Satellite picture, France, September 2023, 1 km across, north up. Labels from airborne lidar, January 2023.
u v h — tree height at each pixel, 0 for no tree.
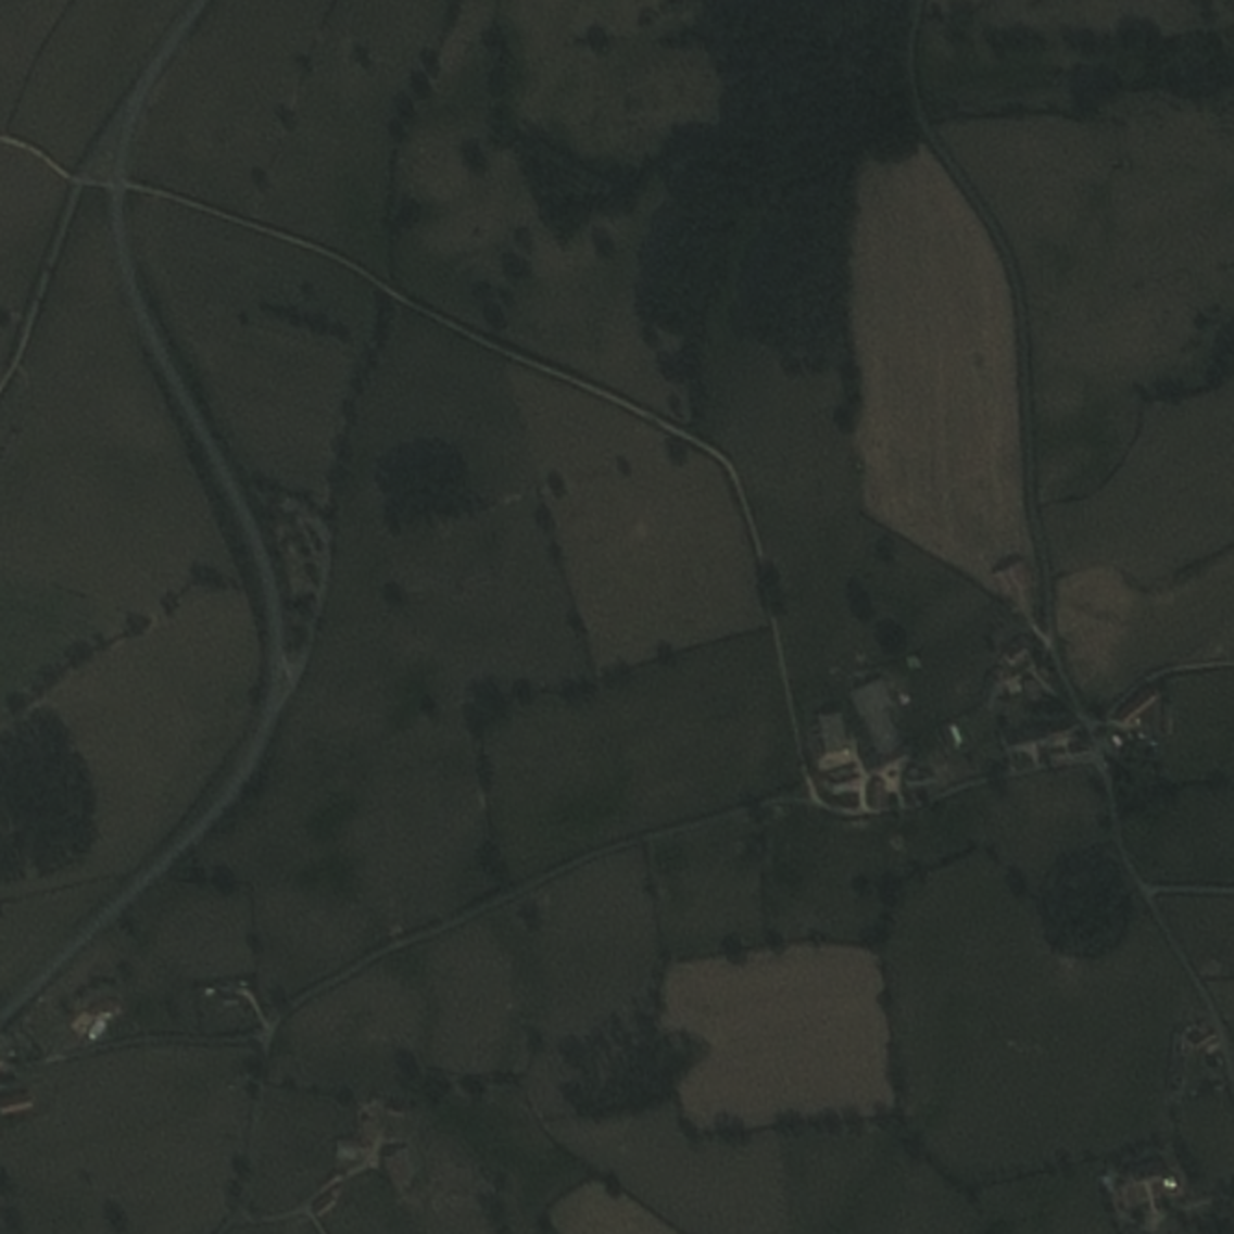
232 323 0
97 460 0
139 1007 0
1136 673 0
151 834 0
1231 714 0
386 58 0
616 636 0
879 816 0
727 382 0
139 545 0
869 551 0
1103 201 0
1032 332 0
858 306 0
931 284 0
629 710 0
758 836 10
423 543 0
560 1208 0
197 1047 0
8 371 0
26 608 0
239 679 0
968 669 0
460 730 0
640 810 0
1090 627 0
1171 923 0
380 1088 0
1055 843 0
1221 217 0
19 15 0
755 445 0
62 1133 0
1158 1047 0
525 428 0
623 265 0
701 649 0
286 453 0
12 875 8
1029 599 0
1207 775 0
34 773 16
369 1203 0
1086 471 0
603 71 0
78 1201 0
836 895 0
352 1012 0
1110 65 0
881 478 0
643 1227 0
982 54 0
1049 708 10
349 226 0
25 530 0
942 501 0
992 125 0
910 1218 0
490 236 0
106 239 0
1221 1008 0
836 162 24
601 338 0
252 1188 0
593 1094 11
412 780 0
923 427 0
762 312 21
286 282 0
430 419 0
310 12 0
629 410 0
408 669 0
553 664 0
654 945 0
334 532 0
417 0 0
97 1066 0
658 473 0
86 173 0
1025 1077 0
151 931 0
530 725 0
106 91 0
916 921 0
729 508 0
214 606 0
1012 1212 0
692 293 18
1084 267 0
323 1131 0
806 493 0
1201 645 0
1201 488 0
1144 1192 0
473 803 0
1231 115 0
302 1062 0
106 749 0
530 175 10
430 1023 0
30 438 0
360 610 0
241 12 0
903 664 0
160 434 0
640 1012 7
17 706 11
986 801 0
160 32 0
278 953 0
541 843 0
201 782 0
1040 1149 0
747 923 0
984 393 0
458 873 0
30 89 0
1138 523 0
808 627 0
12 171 0
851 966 0
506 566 0
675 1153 0
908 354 0
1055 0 0
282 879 0
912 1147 13
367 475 0
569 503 0
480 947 0
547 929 0
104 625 0
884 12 17
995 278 0
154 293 0
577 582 0
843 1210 0
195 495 0
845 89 21
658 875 0
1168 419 0
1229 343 14
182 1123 0
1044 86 0
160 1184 0
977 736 0
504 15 0
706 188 23
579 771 0
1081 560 0
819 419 0
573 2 0
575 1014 0
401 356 0
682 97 0
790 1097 0
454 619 0
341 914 0
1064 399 0
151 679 0
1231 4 0
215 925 0
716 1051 0
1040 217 0
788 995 0
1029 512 0
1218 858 0
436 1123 0
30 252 0
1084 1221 0
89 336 0
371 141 0
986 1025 0
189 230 0
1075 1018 0
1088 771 0
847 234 16
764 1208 0
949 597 0
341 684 0
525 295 0
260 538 0
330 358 0
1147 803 14
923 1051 0
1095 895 12
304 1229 0
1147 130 0
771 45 16
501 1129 0
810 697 0
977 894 0
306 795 0
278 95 0
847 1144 0
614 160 0
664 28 0
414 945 0
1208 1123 0
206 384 0
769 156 28
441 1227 0
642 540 0
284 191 0
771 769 0
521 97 0
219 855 0
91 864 0
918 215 0
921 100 0
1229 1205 7
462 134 0
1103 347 0
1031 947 0
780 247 21
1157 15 0
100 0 0
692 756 0
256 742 0
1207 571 0
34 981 0
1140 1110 0
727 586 0
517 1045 0
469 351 0
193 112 0
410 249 0
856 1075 0
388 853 0
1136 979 0
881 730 0
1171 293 0
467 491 9
